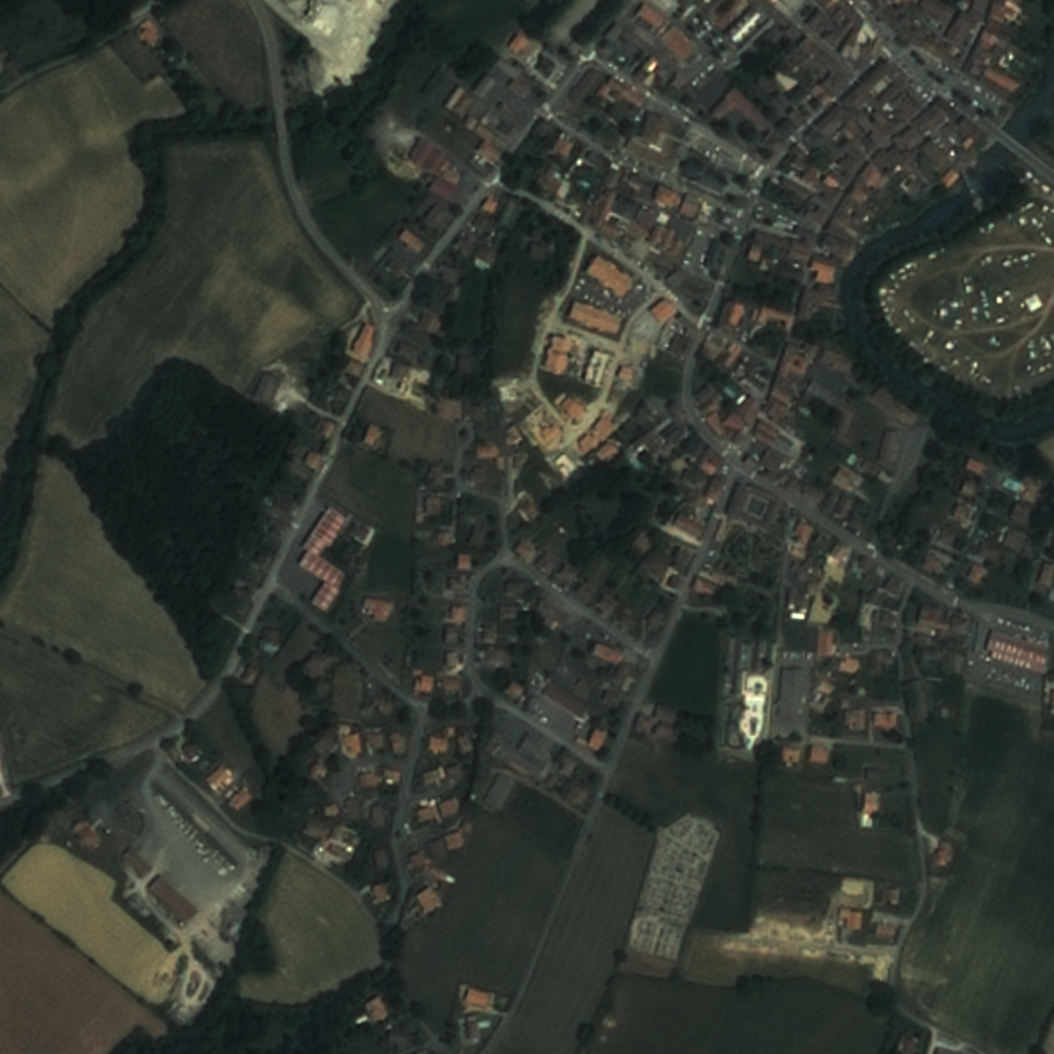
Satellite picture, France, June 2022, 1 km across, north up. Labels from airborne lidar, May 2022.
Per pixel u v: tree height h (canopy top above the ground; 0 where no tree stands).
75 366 0
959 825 0
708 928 0
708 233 0
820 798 0
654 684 0
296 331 0
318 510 0
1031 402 11
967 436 14
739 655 0
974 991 0
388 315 0
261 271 0
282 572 0
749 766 0
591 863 0
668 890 0
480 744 8
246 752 0
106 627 0
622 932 0
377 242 0
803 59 0
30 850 0
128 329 0
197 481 19
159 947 0
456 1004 0
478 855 0
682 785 0
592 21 14
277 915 0
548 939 0
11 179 0
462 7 0
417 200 10
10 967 0
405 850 0
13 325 0
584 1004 0
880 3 0
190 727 10
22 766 0
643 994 0
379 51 12
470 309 0
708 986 0
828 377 0
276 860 9
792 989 0
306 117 14
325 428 0
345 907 0
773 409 0
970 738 0
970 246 0
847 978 0
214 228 0
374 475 0
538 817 0
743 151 0
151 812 0
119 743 0
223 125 14
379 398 0
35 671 0
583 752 0
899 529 6
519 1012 0
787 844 0
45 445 10
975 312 0
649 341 0
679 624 0
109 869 0
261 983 0
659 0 0
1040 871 0
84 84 0
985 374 0
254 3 0
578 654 15
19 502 23
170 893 0
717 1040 0
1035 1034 0
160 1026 0
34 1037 0
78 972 0
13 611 0
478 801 0
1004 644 0
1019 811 0
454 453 0
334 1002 24
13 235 0
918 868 0
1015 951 0
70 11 22
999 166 0
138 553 13
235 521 13
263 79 0
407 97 0
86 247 0
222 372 0
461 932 0
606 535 15
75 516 0
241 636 0
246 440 22
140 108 0
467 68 23
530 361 0
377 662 0
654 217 0
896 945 0
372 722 0
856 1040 0
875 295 14
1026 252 0
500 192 0
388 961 16
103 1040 0
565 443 0
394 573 0
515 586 0
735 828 0
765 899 0
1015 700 0
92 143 0
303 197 0
